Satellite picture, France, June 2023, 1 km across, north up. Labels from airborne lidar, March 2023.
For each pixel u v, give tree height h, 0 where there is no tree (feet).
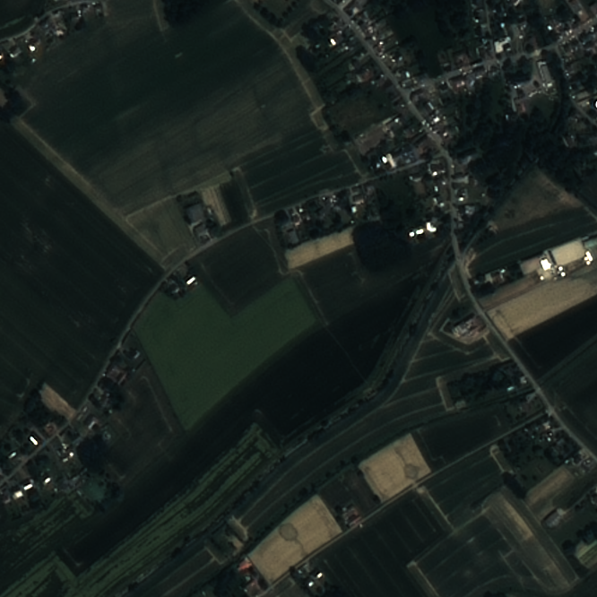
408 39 30
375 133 0
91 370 0
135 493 0
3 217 0
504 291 0
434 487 0
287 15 35
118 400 46
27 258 0
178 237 0
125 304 0
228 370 0
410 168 0
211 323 0
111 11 0
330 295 0
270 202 0
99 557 0
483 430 0
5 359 0
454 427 0
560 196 0
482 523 0
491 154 76
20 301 0
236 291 0
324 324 0
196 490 0
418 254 0
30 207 0
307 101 0
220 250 0
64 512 0
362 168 0
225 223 0
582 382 0
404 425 0
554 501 0
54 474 0
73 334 0
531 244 0
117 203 0
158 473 0
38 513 0
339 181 0
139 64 0
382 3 53
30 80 0
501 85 0
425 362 0
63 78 0
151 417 0
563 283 0
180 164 0
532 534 0
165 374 0
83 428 0
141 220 0
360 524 0
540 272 0
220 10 0
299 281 0
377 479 0
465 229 30
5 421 0
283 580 0
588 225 0
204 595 0
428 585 0
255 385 0
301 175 0
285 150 0
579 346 0
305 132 0
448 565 0
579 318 0
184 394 0
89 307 0
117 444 0
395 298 0
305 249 0
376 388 0
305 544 0
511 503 0
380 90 0
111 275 0
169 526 0
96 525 0
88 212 0
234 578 49
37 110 0
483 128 61
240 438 0
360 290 0
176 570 0
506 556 0
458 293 0
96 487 0
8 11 0
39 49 0
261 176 0
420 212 23
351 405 0
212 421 0
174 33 0
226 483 0
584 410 0
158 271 0
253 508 0
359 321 0
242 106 0
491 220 0
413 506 0
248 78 0
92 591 0
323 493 0
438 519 0
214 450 0
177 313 0
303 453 0
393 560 0
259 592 0
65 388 0
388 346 0
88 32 0
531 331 0
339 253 0
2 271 0
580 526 0
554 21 0
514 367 33
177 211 0
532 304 0
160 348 0
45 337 0
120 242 0
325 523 0
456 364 0
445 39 0
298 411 0
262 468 0
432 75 0
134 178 0
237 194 0
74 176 0
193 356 0
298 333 0
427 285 0
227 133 0
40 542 0
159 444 0
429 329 0
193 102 0
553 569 0
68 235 0
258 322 0
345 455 0
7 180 0
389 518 0
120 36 0
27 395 0
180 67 0
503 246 0
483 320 0
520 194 0
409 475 0
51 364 0
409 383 0
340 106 0
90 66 0
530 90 0
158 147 0
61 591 0
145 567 0
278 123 0
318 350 0
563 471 0
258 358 0
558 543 0
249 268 0
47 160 0
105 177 0
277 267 0
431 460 0
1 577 0
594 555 0
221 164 0
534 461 0
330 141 0
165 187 0
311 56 30
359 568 0
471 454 0
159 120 0
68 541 0
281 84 0
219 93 0
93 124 0
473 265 0
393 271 0
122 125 0
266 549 0
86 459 104
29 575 0
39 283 0
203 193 0
